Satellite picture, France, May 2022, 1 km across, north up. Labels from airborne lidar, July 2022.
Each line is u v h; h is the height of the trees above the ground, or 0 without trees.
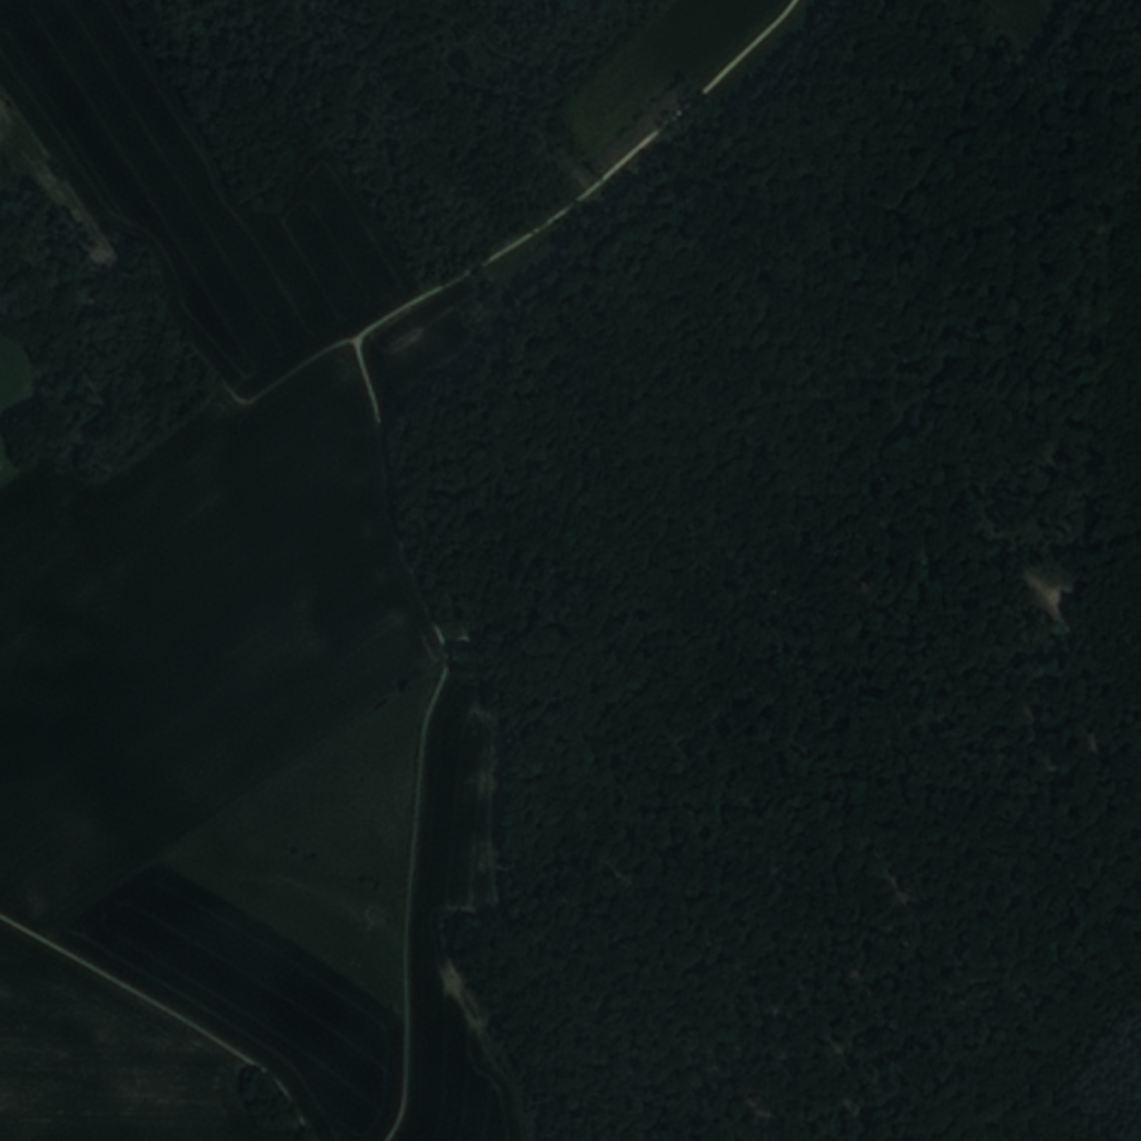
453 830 0
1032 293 31
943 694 31
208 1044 0
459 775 0
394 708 0
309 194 0
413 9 30
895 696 29
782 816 26
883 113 30
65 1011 0
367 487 0
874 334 30
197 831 0
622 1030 30
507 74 7
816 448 29
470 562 30
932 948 27
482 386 28
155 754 0
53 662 0
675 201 28
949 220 27
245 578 0
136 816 0
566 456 28
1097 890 28
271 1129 10
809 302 29
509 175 28
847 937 25
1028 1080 29
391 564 0
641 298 30
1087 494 26
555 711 31
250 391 0
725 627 26
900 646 26
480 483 28
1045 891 25
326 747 0
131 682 0
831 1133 27
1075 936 23
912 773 29
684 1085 28
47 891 0
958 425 30
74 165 0
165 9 19
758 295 27
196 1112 0
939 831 25
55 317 30
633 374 25
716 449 26
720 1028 26
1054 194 32
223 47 27
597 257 29
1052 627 28
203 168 0
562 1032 30
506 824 21
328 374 0
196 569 0
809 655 28
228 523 0
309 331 0
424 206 25
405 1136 0
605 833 33
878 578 29
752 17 0
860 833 30
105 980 0
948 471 31
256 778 0
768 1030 26
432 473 26
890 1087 30
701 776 29
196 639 0
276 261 0
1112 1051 24
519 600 28
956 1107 24
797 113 30
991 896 27
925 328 26
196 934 0
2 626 0
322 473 0
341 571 0
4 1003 0
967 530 31
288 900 0
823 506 28
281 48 30
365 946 0
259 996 0
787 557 28
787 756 27
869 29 34
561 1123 27
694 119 14
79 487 0
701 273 28
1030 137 27
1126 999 18
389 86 32
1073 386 27
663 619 31
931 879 26
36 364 21
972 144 33
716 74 0
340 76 33
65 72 0
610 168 0
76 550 0
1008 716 27
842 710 29
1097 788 28
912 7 32
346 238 0
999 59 25
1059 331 34
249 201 26
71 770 0
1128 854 29
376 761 0
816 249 27
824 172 29
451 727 0
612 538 28
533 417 31
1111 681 15
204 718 0
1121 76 27
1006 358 25
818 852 29
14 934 0
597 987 33
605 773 30
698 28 0
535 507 30
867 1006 32
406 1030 0
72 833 0
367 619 0
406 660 0
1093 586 17
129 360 26
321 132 29
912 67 33
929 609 30
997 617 30
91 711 0
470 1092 0
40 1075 0
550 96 25
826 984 27
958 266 26
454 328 0
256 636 0
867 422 29
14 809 0
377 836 0
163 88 0
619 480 27
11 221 27
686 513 27
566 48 22
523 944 31
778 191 29
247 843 0
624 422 26
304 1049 0
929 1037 27
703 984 30
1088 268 34
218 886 0
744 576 29
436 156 16
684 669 29
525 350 29
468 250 11
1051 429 31
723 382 24
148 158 0
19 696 0
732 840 26
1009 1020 29
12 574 0
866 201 30
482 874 0
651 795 30
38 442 20
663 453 27
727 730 24
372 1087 0
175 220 0
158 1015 0
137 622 0
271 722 0
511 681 30
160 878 0
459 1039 0
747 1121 28
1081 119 31
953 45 32
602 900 28
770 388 29
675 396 27
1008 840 29
